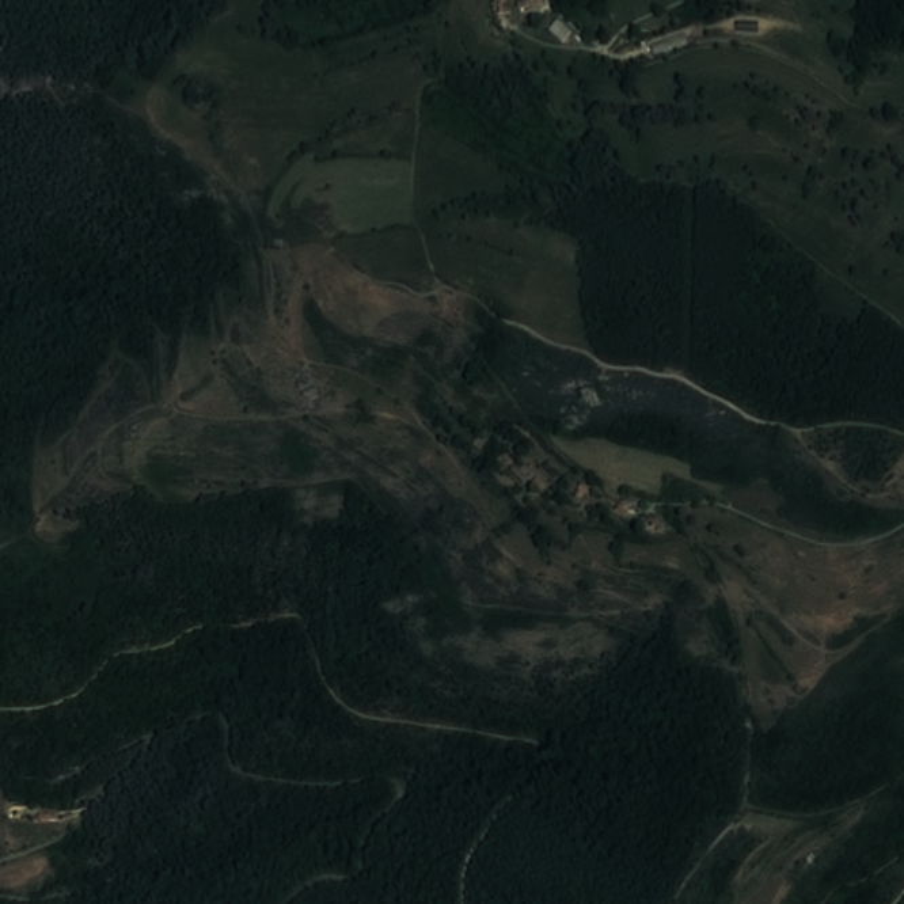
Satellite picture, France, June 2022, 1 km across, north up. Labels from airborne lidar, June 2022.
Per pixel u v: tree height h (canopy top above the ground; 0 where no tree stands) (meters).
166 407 0
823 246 0
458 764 20
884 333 10
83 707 9
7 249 22
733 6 12
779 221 0
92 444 0
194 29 15
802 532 0
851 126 0
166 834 10
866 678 6
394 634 8
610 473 0
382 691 10
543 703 5
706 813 9
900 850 6
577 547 0
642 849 13
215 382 0
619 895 10
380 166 0
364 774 9
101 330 13
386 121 0
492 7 7
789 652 0
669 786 14
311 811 20
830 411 6
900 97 0
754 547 0
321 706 10
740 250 9
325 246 0
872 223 0
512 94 12
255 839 22
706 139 0
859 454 7
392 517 13
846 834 0
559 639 0
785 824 0
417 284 0
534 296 0
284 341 0
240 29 8
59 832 0
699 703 11
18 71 13
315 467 0
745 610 0
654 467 0
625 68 13
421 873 9
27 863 0
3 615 7
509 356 0
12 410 9
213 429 0
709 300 8
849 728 9
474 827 11
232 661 9
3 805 0
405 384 0
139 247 11
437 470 0
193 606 11
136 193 8
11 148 17
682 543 0
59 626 8
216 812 12
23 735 8
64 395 6
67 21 16
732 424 0
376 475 0
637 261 8
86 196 11
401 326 0
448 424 9
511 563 0
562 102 0
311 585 18
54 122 15
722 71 0
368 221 0
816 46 0
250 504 14
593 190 15
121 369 0
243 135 0
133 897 16
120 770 15
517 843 13
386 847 9
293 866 9
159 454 0
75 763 9
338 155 11
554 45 0
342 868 25
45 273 17
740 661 8
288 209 0
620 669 20
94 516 8
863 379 11
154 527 16
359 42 0
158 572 9
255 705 16
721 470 7
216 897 17
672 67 0
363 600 15
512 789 11
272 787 14
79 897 12
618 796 19
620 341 9
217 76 0
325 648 15
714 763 9
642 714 11
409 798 15
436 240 0
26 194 15
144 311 9
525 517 12
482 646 0
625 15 0
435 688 7
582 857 10
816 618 0
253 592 10
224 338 0
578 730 9
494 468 14
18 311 22
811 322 8
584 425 5
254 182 0
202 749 25
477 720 9
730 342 8
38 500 0
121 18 20
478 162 0
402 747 9
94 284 20
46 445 0
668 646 13
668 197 8
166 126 0
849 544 0
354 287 0
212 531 13
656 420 9
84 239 10
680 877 9
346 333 0
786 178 10
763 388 9
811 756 6
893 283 0
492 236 0
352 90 0
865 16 21
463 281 0
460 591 0
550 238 0
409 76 0
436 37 0
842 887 6
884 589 0
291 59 0
